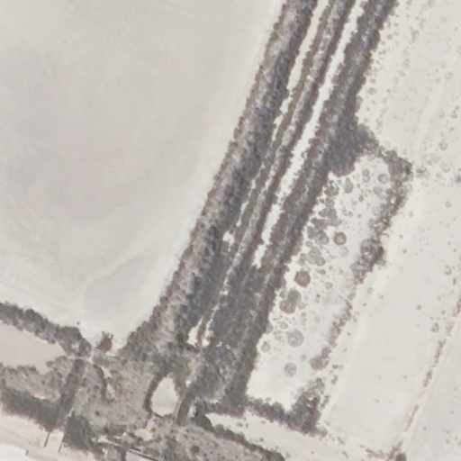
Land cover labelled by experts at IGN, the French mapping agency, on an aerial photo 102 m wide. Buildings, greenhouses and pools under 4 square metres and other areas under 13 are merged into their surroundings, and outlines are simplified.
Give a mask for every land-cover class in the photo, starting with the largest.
<instances>
[{"label":"pervious surface","instance_id":"1","mask_svg":"<svg viewBox=\"0 0 461 461\"><path fill-rule=\"evenodd\" d=\"M285 0H0V303L14 304L22 310H34L58 326L77 328L90 344H99L103 335H110L112 348L106 351L108 358L115 357L119 349L124 348L131 331L137 330L142 322L149 321L153 310L166 292L167 285L171 283L180 256L189 245L191 230L194 229L196 220L202 212L203 203L207 200V193L211 191L212 180L220 169L229 142H232L238 119L245 110L250 88L254 85L259 63L265 56V45ZM328 0H319L288 77L286 97L274 119L270 137L272 140L277 139L279 126L294 99V88L299 83L304 58L312 47ZM367 0H355L337 50L331 58L324 83L319 88L317 101L313 104L312 117L306 122L303 135L295 144L290 167L281 178L276 202L268 212L265 229L261 234L263 240H270L274 225L283 211L285 198L292 191L295 178L303 167L306 149L310 148V140L319 126L322 106L328 101L333 90V81L344 61V50L353 32H357L358 16L364 13V4ZM358 124L366 126L367 131L373 133V137L382 148L396 151L398 157L411 162V180L403 184L407 198L398 214L391 220V227L385 230L382 236L384 259L375 265L373 272L367 274L364 283L357 286L351 319L340 331L337 344L328 358V364L322 369H313L312 360L326 346L331 324L337 315L344 312L346 297L349 294L344 281H349L353 277L351 265L360 256V245L371 236L369 220H376L380 216V205H384L387 189H391L393 185L389 166L384 160L371 155H362L358 158L353 171L348 175L330 173L328 180L339 191L335 196V212L340 223L326 227L328 243L322 247L321 252L324 265L299 263V258L295 254L290 259L285 272V286L299 294V301L295 304L294 312L286 313L281 310L283 299L276 295L274 306L268 313V330L258 340V358L247 384L249 398H256L268 405L279 403L285 411H292L299 394L308 389V384L312 380L322 378L324 391L330 394V402L319 412L317 427L326 430V436L319 438L299 430L288 429L285 423L261 418L256 412L245 411L243 416L238 418L214 412L207 416L212 425H221L236 434H243L250 443L279 452L285 457V461H461V0H398L393 13L389 14L380 31V40L373 50L371 67L367 70L366 83L358 92L357 110ZM65 351L59 346V342L50 344L47 340L34 335L32 331L16 330L13 324L0 321V364L11 367L34 366L38 371L49 373L47 362L61 357ZM151 407L158 414L176 412L178 394L173 378L166 376L158 384L151 400ZM0 461H97V459L92 452L67 447L61 430L50 432L31 418L9 414L0 409Z\"/></svg>","mask_w":461,"mask_h":461},{"label":"brushwood","instance_id":"2","mask_svg":"<svg viewBox=\"0 0 461 461\"><path fill-rule=\"evenodd\" d=\"M319 0H301L295 16L297 31L292 34L286 49L277 54L272 79L268 83L267 94L263 97V106L258 108L256 121L252 122L254 140L249 142V148L243 151L240 167L234 171L232 182L225 189L220 216L205 236V247L202 258L196 263L198 276L193 277L191 294L187 295V301L175 313L176 339L167 342V348L162 355L158 353L155 342L158 326L162 324V315L153 310L149 321L142 322L137 330L131 331L124 348L131 353L135 362H153L157 366L148 391L144 394L151 400L158 384L166 376L173 378L178 394L176 412V425L182 427L196 423L198 427L218 438L229 439L234 443H240L241 447L247 450L259 452L265 457V461H285V457L279 452L250 443L243 434H236L221 425H212L207 416L214 412L238 418L243 416L245 411L256 412L261 418L285 423L288 429L299 430L319 438L326 436V430L317 427L319 412L330 402V394L324 391L322 378L312 380L308 384V389L299 394L292 411H285L279 403L268 405L256 398H249L247 384L258 358V340L268 330V313L274 306L276 295L283 299L281 310L286 313L294 312L295 304L299 301V294L285 286V272L290 259L295 254L299 258V263L324 265L321 252L322 247L328 243L326 227L340 223L335 212V196L339 191L328 180L330 173L348 175L353 171L358 158L362 155H371L384 160L389 166L393 185L391 189H387L384 205H380V216L376 220H369L371 236L360 245V256L351 265L353 277L349 281H344L349 294L346 297L344 312L337 315L331 324L326 346L312 360L313 369H322L328 364V358L337 344L340 331L351 319L357 286L364 283L367 274L373 272L375 265L384 259L382 236L385 230L391 227V220L398 214L407 198L403 184L411 180V162L398 157L396 151L382 148L373 137V133L367 131L366 126L358 124L357 110L358 92L366 83L367 70L371 67L373 50L380 40V31L389 14L393 13L398 0H367L364 4V13L358 16L357 32H353L344 50V61L333 81V90L328 101L322 106L319 126L310 140V148L306 149L303 167L295 178L292 191L285 198L283 211L274 225L270 240H263L261 234L265 229L268 212L276 202L281 178L290 167L295 144L303 135L306 122L312 117L313 104L317 101L319 88L324 83L331 58L337 50L355 0H328L312 47L304 58L299 83L294 88V99L279 126L277 139L272 140L270 137L274 119L286 97L288 77ZM324 32L330 34L331 40L324 50L321 67L317 70L312 88L306 95L294 133L283 148L281 164L277 167L274 180L268 187L254 234L250 238L247 250L241 256L240 265L230 277L229 295H220L223 274L229 268L234 254L238 252L241 238L249 227L259 191L265 184L270 166L276 158L277 146L283 142L286 128L290 126L295 104L303 92L304 83L310 74L313 58L319 50ZM212 304H220V310L212 324L209 346L205 348L202 346L205 324H200L198 330L194 328V324L200 317L209 319ZM185 351L198 353L203 357L200 375L191 385H185V378L191 371L189 362L184 358ZM220 367L234 369V376L221 402L209 403L218 387ZM0 321L13 324L16 330L32 331L34 335L47 340L50 344L59 342V346L65 351L77 357H86L90 353V344L77 328L58 326L34 310H22L14 304L0 303ZM85 362L74 360L67 382L59 391L58 402L38 400L29 393L16 391L5 384V375H32L38 371L34 366L11 367L0 364V409L9 414L31 418L50 432L61 430L67 447L92 452L97 459L103 456V448L101 443H95L92 438L119 436L124 432V425L92 427L86 418L77 416L72 403L76 400L77 387L86 385V378L83 376ZM185 456L176 454V439L167 436L164 461H184Z\"/></svg>","mask_w":461,"mask_h":461},{"label":"herbaceous vegetation","instance_id":"3","mask_svg":"<svg viewBox=\"0 0 461 461\"><path fill-rule=\"evenodd\" d=\"M301 0H285L265 45V56L259 63L254 85L250 88L245 110L238 119L232 142H229L220 169L212 180L211 191L207 193V200L203 203L202 212L196 220L194 229L191 230L189 245L180 256L171 283L167 285L166 292L153 310L162 315V324L158 326L155 342L158 353L162 355L167 348V342L176 339L175 313L187 301V295L191 294L193 277L198 276L196 263L202 258L205 247V236L220 216L225 189L232 182L234 171L240 167L243 151L249 148V142L254 140L252 122L256 121L258 108L263 106V97L267 94L268 83L272 79L277 54L286 49L292 34L297 31L295 16ZM331 40L330 34L324 32L319 50L313 58L310 74L304 83L303 92L295 104L290 126L286 128L283 142L277 146L276 158L270 166L265 184L259 191L249 227L241 238L238 252L234 254L229 268L223 274L220 295H229L230 277L240 265L241 256L247 250L250 238L254 234L268 187L274 180L277 167L281 164L283 148L294 133L306 95L312 88L317 70L321 67L324 50ZM220 310V304H212L209 319L200 317L194 324V328L198 330L200 324H205L202 346L205 348L209 346L212 324ZM112 348L110 335H103L99 344H90V353L86 357H77L65 351L61 357L47 362L49 373L38 371L32 375H5V384L16 391L29 393L38 400L58 402L59 391L67 382L74 360L85 362L83 376L86 378V385L77 387L76 400L72 403L77 416L86 418L92 427L124 425V432L119 436L92 438L95 443H101L103 448V456L97 459V461H164L167 436L176 439V454L185 456L184 461H265V457L259 452L247 450L241 447L240 443H234L229 439L218 438L198 427L196 423L182 427L176 425V412L158 414L151 407V400L144 394L148 391L157 366L153 362H135L131 353L124 348L119 349L115 357L108 358L106 351ZM184 358L189 362L191 371L185 378V385H191L200 375L203 357L198 353L185 351ZM234 376V369L220 367L218 387L209 403L221 402Z\"/></svg>","mask_w":461,"mask_h":461}]
</instances>
